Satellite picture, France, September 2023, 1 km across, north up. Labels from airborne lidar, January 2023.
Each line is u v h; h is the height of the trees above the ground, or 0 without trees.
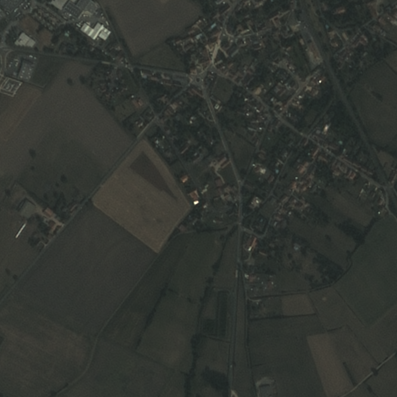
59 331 0
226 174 0
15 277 7
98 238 0
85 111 0
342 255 0
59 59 0
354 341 0
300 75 0
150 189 0
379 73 0
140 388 0
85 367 0
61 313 0
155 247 0
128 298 0
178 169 0
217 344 0
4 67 0
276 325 0
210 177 18
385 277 0
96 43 0
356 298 0
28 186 0
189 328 0
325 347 0
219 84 0
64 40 0
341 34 0
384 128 0
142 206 0
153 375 0
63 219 11
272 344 0
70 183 0
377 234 0
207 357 0
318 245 0
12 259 0
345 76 0
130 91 0
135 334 0
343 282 0
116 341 0
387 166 0
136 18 0
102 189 0
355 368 0
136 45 0
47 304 0
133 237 0
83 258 0
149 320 9
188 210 0
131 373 0
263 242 7
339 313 0
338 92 0
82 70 0
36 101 0
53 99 0
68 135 0
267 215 0
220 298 0
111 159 0
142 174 0
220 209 0
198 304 0
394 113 0
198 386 0
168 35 0
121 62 0
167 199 0
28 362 0
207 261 0
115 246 0
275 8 0
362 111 0
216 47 0
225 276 0
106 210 0
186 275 0
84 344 0
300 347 0
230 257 0
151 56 0
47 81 0
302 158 0
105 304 0
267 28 0
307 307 0
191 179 0
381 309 0
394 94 0
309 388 0
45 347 0
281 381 0
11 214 0
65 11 0
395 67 0
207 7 9
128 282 0
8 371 0
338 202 0
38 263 0
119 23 0
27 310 0
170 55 0
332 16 14
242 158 0
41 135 0
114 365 0
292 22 0
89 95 0
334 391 0
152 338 0
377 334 0
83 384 0
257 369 0
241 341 0
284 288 0
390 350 0
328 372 0
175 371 0
